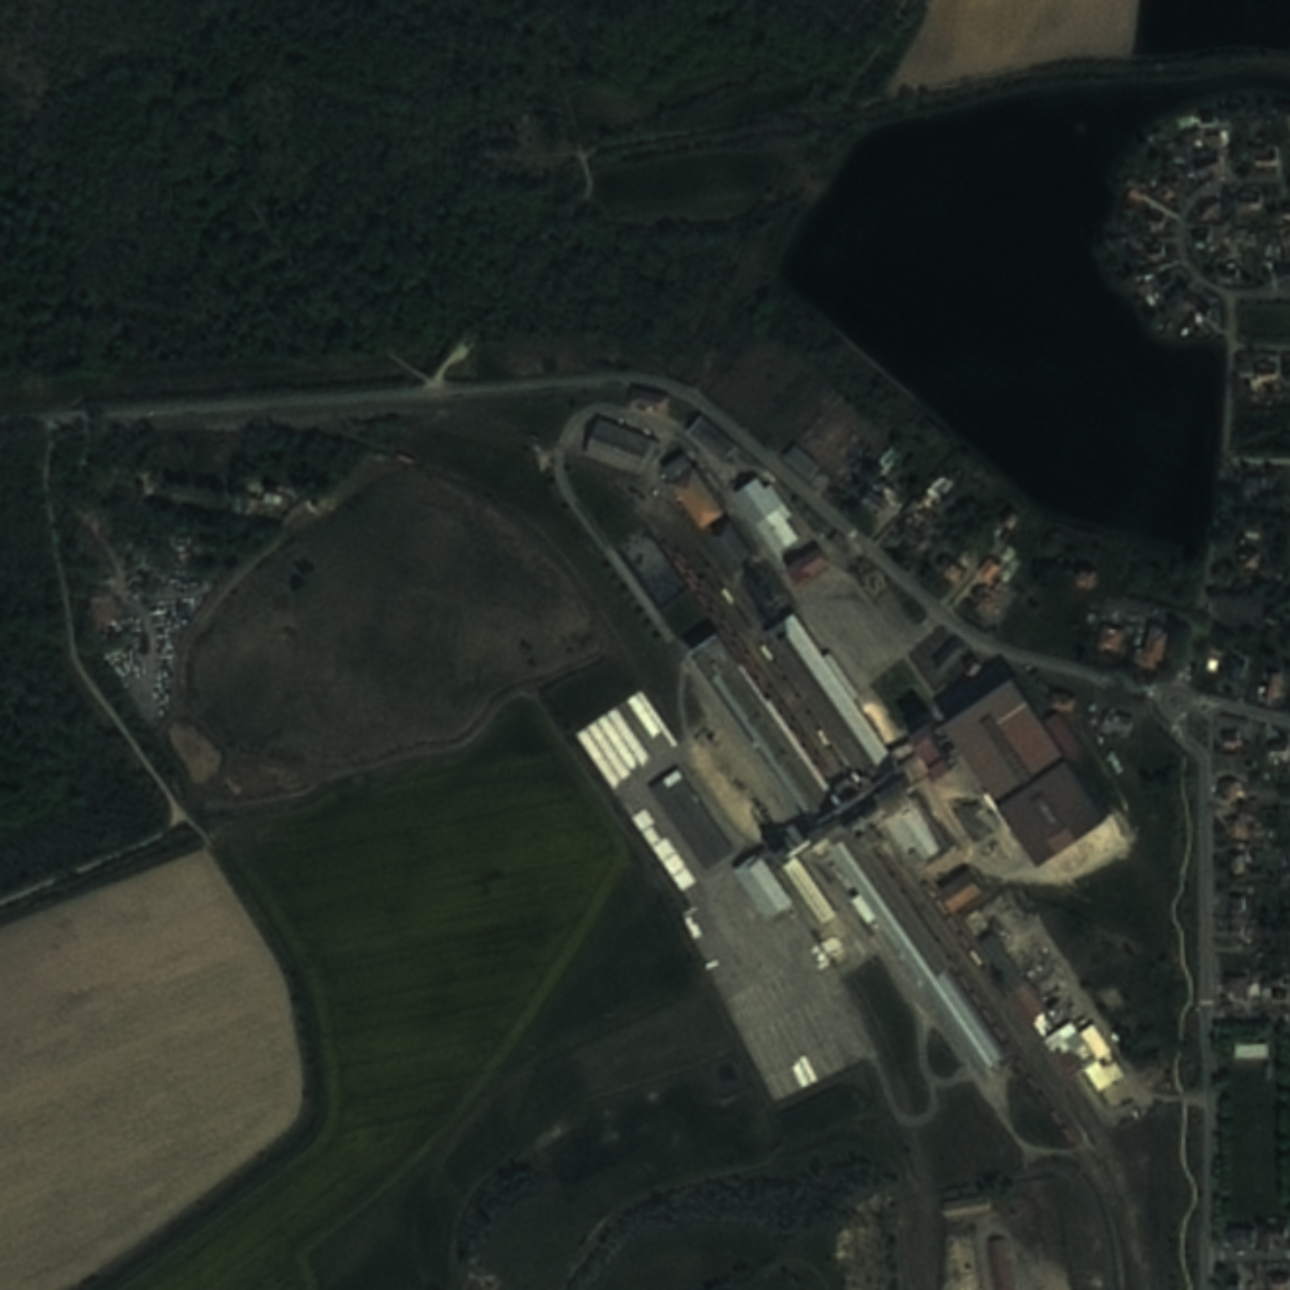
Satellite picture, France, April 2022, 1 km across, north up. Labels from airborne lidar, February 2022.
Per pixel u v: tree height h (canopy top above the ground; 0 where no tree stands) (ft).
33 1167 0
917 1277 0
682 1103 0
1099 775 0
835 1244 0
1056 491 0
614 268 55
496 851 0
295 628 0
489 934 0
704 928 0
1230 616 0
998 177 0
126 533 53
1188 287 40
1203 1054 0
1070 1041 0
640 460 0
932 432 42
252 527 44
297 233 64
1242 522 29
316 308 68
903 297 0
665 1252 0
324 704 0
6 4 39
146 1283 0
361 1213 0
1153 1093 0
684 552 0
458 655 0
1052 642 0
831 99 43
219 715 0
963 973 0
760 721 0
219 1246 0
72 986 0
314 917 0
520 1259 0
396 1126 0
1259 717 0
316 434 28
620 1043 0
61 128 42
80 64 34
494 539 0
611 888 0
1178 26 0
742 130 30
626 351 0
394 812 0
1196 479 0
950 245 0
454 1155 0
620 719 0
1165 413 0
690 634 0
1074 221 0
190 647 0
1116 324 0
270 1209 0
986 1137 0
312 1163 0
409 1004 0
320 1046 0
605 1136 0
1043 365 0
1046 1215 0
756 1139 0
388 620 0
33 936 0
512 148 26
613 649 0
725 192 0
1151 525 0
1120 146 0
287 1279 0
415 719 0
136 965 0
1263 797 0
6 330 72
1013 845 0
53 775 51
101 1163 0
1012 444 0
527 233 26
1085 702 0
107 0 46
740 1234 0
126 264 68
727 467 0
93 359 62
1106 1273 0
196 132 85
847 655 0
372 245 83
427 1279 0
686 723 0
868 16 61
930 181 0
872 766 0
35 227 44
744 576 0
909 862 0
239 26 56
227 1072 0
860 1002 0
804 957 0
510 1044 0
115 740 32
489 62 64
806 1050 0
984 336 0
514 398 0
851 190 0
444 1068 0
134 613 0
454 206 58
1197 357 0
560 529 0
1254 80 0
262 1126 0
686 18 68
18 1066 0
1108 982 0
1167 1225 0
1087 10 0
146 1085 0
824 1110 0
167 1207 0
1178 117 0
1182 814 0
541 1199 0
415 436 0
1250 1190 0
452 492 0
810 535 0
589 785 0
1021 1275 0
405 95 64
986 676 0
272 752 0
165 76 69
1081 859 0
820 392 0
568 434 0
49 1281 0
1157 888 0
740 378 0
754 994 0
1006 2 0
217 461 0
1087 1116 0
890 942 0
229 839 0
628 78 53
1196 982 0
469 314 35
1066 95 0
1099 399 0
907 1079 0
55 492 31
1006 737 0
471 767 0
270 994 0
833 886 0
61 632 62
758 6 62
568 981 0
